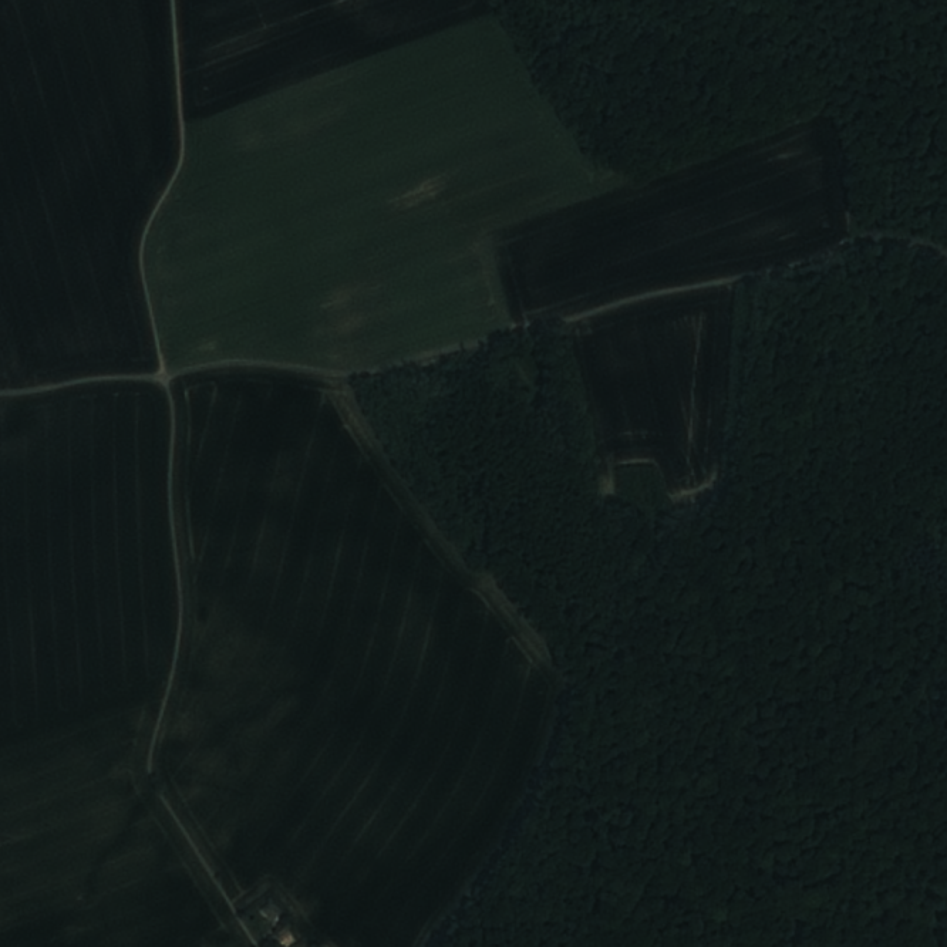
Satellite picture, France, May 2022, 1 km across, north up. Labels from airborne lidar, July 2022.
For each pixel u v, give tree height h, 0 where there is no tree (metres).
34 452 0
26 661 0
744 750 28
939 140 30
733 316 10
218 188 0
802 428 24
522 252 0
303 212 0
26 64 0
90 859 0
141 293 0
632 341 0
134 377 0
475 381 22
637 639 33
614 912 30
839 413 30
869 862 30
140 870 0
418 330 0
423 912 0
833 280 30
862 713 32
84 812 0
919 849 32
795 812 21
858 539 31
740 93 32
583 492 23
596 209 0
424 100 0
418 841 0
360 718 0
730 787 31
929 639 29
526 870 23
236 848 0
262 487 0
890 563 26
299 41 0
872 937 27
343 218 0
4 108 0
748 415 25
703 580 32
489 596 0
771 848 27
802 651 19
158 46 0
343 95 0
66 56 0
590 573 23
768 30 26
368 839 0
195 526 0
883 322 25
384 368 0
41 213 0
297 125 0
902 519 28
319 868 0
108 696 0
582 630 21
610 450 0
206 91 0
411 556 0
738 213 0
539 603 29
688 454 0
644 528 30
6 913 0
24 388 0
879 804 26
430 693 0
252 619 0
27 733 0
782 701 26
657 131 29
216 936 0
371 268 0
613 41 31
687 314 0
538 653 0
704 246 0
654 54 30
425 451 16
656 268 0
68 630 0
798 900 33
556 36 21
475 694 0
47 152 0
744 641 29
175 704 0
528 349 19
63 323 0
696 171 0
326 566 0
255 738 0
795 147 0
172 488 0
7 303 0
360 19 0
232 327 0
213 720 0
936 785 27
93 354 0
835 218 0
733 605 31
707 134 20
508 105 0
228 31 0
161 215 0
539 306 0
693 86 31
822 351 21
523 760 0
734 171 0
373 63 0
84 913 0
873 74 30
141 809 0
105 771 0
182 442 0
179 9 0
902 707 29
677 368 0
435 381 26
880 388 26
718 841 31
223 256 0
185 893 0
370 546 0
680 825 24
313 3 0
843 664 30
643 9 27
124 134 0
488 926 23
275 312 0
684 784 27
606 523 26
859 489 30
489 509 22
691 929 29
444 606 0
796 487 28
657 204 0
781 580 32
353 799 0
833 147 0
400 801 0
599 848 28
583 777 27
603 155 24
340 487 0
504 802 0
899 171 21
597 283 0
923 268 30
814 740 28
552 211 0
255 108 0
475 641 0
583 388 20
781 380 24
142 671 0
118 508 0
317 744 0
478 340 0
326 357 0
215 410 0
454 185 0
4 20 0
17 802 0
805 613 30
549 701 0
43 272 0
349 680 0
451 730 0
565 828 23
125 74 0
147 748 0
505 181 0
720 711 30
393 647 0
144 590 0
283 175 0
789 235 0
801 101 23
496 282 0
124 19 0
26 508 0
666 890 29
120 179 0
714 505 26
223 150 0
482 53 0
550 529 22
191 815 0
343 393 0
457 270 0
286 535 0
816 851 25
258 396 0
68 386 0
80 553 0
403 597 0
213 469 0
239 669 0
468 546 13
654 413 0
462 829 0
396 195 0
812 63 24
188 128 0
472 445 24
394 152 0
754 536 27
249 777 0
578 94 22
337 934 0
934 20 32
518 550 24
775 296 26
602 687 30
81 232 0
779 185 0
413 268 0
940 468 23
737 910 33
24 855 0
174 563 0
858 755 33
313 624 0
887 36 33
